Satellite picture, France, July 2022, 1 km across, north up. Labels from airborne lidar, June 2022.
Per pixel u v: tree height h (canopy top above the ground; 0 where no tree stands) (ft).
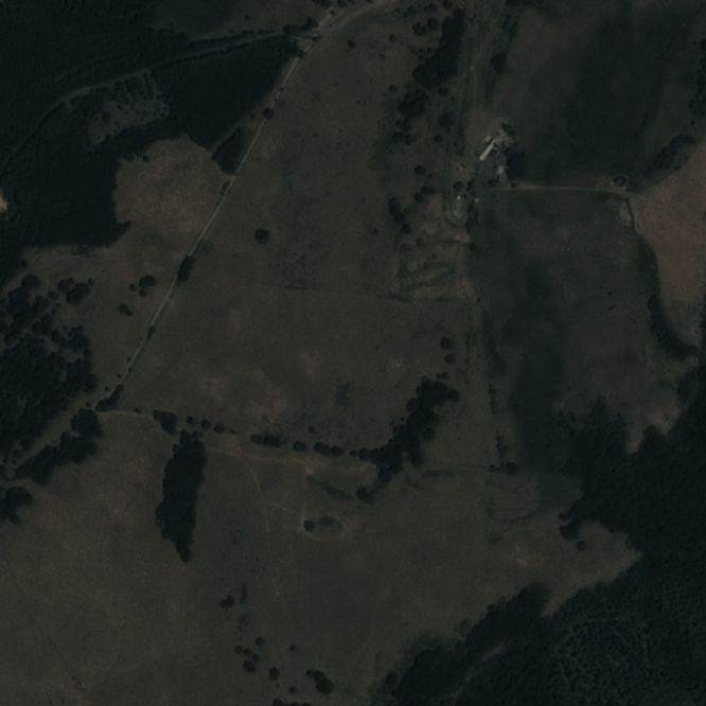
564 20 0
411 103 32
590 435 26
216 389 0
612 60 0
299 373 0
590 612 56
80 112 32
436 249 0
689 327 0
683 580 50
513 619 42
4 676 0
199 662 0
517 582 0
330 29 0
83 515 0
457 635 0
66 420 0
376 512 0
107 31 49
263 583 0
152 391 0
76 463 27
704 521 49
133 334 0
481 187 0
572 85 0
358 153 0
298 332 0
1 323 43
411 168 0
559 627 40
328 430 0
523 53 0
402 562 0
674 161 24
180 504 55
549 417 0
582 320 0
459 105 0
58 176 49
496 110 0
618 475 34
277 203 0
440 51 38
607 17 0
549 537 0
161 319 0
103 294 0
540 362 0
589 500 34
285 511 0
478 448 0
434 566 0
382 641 0
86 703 0
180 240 0
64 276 0
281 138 0
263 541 0
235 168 30
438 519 0
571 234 0
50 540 0
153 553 0
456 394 45
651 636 94
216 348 0
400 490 0
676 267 0
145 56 54
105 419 0
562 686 82
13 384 36
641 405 0
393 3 0
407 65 0
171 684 0
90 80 36
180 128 41
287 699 0
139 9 71
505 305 0
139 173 0
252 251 0
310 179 0
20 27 64
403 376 0
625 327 0
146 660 0
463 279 0
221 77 48
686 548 37
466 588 0
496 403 28
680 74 0
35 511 0
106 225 43
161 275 0
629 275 0
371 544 0
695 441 76
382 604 0
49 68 52
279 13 0
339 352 0
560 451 0
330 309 0
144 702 0
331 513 0
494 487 0
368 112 0
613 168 0
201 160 0
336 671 0
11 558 0
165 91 38
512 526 0
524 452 0
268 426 0
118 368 0
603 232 0
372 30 0
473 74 0
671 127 0
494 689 30
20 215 35
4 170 34
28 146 43
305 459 0
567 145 0
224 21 0
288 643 0
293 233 0
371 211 0
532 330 0
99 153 36
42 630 0
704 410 56
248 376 0
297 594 0
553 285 0
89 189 46
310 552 0
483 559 0
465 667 55
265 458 0
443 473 0
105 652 0
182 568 0
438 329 0
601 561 0
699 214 0
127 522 0
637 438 0
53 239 45
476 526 0
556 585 0
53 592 0
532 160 0
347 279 0
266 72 41
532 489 0
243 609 0
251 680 0
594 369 0
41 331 38
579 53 0
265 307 0
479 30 0
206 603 0
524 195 0
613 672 83
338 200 0
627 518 32
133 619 0
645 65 0
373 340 0
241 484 0
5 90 59
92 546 0
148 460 0
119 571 0
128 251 0
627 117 0
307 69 0
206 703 0
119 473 0
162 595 0
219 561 0
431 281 0
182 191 0
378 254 0
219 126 48
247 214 0
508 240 0
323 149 0
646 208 0
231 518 0
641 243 0
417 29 38
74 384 37
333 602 0
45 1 57
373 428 0
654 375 0
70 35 40
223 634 0
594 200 0
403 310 0
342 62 0
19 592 0
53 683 0
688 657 57
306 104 0
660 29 0
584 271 0
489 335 0
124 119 0
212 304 0
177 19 0
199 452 37
